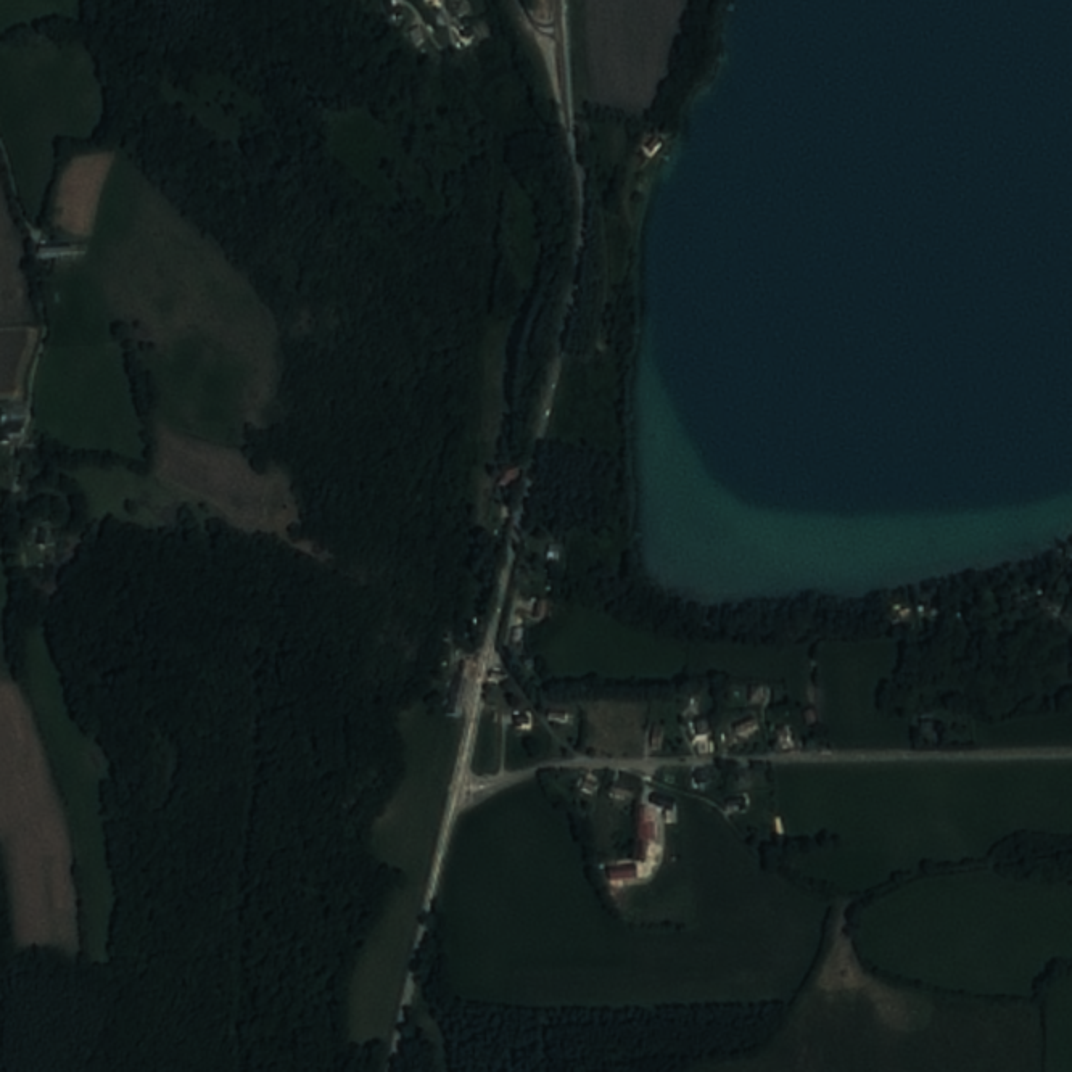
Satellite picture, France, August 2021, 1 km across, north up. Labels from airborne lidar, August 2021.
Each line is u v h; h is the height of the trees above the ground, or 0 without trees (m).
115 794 16
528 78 20
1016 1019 0
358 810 20
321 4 22
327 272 14
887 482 0
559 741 0
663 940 0
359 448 22
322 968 21
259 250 9
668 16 0
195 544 19
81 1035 19
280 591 13
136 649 22
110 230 0
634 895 0
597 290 16
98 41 17
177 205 6
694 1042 20
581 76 0
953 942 0
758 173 0
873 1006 0
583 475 19
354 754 21
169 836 17
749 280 0
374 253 15
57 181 5
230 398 0
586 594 8
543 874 0
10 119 0
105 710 25
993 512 0
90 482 0
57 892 0
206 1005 20
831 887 10
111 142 19
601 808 0
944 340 0
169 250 0
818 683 12
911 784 0
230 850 16
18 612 19
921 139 0
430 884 0
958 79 0
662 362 0
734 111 0
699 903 0
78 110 0
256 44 24
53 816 0
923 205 0
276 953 21
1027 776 0
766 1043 8
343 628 20
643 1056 11
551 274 19
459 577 15
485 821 0
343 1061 12
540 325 24
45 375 0
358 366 15
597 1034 19
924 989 14
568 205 20
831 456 0
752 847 13
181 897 21
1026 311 0
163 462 0
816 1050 0
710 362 0
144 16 17
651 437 0
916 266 0
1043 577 15
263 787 18
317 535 15
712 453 0
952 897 0
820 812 0
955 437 0
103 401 0
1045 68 0
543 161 19
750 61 0
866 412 0
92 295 0
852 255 0
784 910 0
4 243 0
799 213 0
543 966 0
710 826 0
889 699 18
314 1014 23
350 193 20
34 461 7
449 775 0
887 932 0
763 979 0
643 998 0
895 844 0
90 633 20
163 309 0
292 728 19
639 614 16
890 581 0
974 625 18
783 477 0
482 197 12
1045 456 0
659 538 0
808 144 0
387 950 0
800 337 0
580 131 15
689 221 0
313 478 8
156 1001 17
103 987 16
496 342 0
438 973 15
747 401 0
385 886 25
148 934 20
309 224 12
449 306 17
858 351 0
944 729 14
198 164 15
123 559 23
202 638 22
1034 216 0
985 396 0
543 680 11
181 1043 16
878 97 0
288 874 22
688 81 21
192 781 17
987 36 0
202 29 23
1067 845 10
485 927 0
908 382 0
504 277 17
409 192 17
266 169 17
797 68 0
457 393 21
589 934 0
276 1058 23
